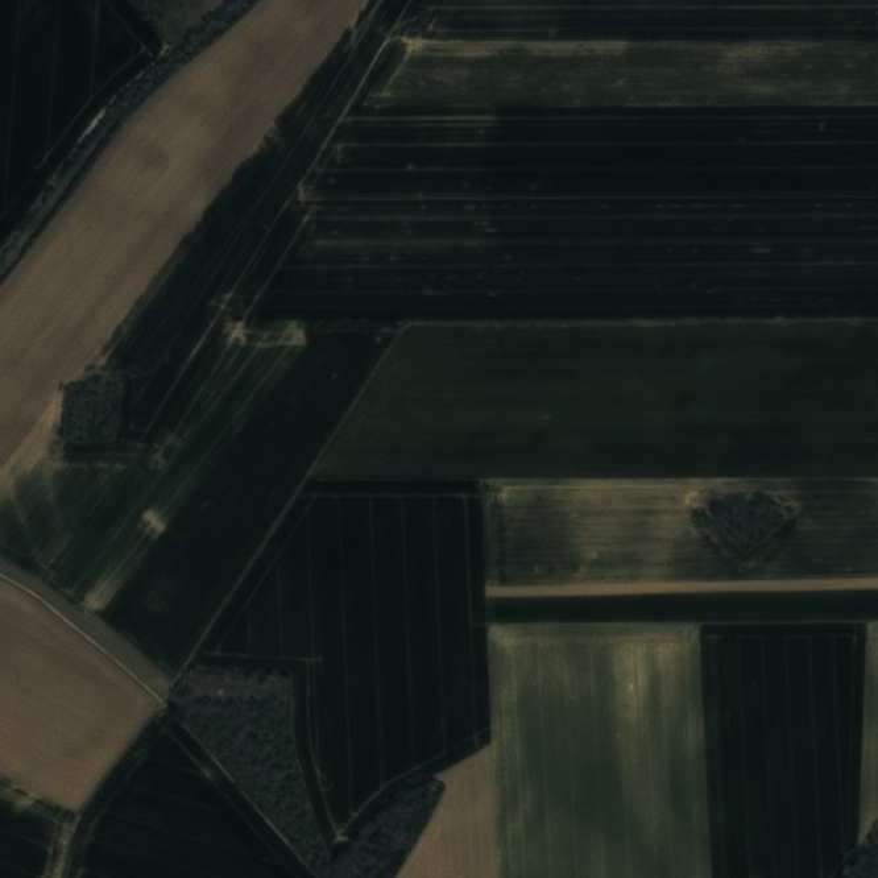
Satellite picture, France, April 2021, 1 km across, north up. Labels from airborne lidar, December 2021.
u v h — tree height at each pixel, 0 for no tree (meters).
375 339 0
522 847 0
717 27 0
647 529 0
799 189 0
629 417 0
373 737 0
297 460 0
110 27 0
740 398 0
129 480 0
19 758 0
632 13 0
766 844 0
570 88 0
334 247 0
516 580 0
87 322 0
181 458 0
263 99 0
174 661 0
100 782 0
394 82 0
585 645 0
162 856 0
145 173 0
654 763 0
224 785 0
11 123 0
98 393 19
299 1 0
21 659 0
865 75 0
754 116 0
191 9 0
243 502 0
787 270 0
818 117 0
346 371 0
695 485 0
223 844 0
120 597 0
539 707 0
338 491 0
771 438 0
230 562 0
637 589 0
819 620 0
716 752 0
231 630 0
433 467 0
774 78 0
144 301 0
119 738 0
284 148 0
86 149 10
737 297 0
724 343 0
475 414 0
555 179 0
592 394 0
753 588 0
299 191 0
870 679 0
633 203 0
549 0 0
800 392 0
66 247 0
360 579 0
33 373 0
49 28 0
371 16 0
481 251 0
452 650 0
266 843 0
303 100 0
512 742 0
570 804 0
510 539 0
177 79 0
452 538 0
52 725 0
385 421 0
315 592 0
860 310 0
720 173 0
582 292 0
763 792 0
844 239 0
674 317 0
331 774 0
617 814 0
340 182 0
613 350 0
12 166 0
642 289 0
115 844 0
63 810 0
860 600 0
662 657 0
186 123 0
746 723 0
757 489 0
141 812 0
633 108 0
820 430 0
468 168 0
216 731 18
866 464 0
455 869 0
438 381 0
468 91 0
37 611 0
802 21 0
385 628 0
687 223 0
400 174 0
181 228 0
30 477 0
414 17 0
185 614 0
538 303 0
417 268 0
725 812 0
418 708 0
